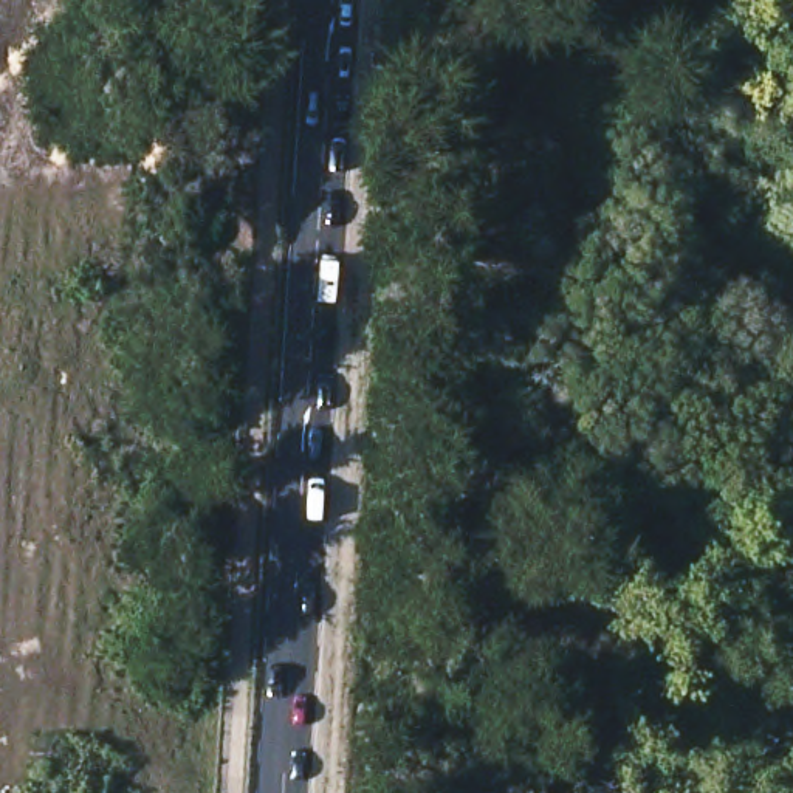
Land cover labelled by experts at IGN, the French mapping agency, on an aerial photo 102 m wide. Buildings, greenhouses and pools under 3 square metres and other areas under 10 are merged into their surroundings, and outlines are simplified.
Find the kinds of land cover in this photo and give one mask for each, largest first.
<instances>
[{"label":"deciduous trees","instance_id":"1","mask_svg":"<svg viewBox=\"0 0 793 793\"><path fill-rule=\"evenodd\" d=\"M297 0H62V12L37 28V46L25 56L22 77L28 96V121L34 124V136L40 146L65 152V158L74 164H130V177L124 183L121 266L112 273L99 260H90L81 273V285L87 288L93 282H102L105 300L118 291L127 294V304L121 307V322L133 335V406L152 421L155 437L180 443V452L173 455L164 465V474L155 477L146 524L121 542V561L130 573L149 579V585L158 592V607L146 620L142 635L127 638L121 663L130 666L133 685L152 706L170 700L180 712L201 722L214 712L217 703L220 681L208 678L204 654L223 632H232L239 626L235 604L242 598L235 589L226 585L223 548L229 545V527L226 508L220 502L242 496L239 483L248 474L245 458H251V434L245 440H232V431L220 421V415L239 406L245 372L251 369L248 341L254 304L245 291V279L235 257H242L254 245V232L239 217V208L260 170V152L269 136L273 105L282 99L285 81L297 71ZM356 142L362 149L356 170L362 173V183L369 189V220L362 229L359 254L372 279V316L366 325V338L372 344V366L362 427L366 449L359 455L362 480L347 483L335 474V468L322 471L319 480L325 502L322 517L313 520L331 545H338L341 539H353L356 545V613L347 632V663L353 666V685L344 793H793V0H449L434 34H412L390 56H384L381 71L369 81L359 99L356 118ZM102 728L50 731L43 740V756L25 759L22 765V787H0V793H108L115 771L124 768L127 759L112 747L99 743Z\"/></svg>","mask_w":793,"mask_h":793},{"label":"impervious surface","instance_id":"2","mask_svg":"<svg viewBox=\"0 0 793 793\"><path fill-rule=\"evenodd\" d=\"M449 0H297V71L285 81L282 99L273 105L269 136L260 152V170L239 208V217L254 232V245L242 257H235L245 279V291L254 304L248 341L251 369L245 372L239 406L220 415V421L232 431V440H245L251 434V458H245L248 474L239 483L242 496L220 502L226 508L229 527V545L223 548L226 585L235 589L242 598L235 604L239 626L232 632H223L204 654L208 678L220 681L217 703L232 700L226 725V793H344L353 685V666L347 663V632L356 613V545L353 539H341L338 545H331L313 520L322 517L325 502L319 480L322 471L335 468V474L347 483L362 480L359 455L366 449L362 427L372 366V344L366 338V325L372 316V279L359 254L362 229L369 220V189L362 183V173L356 170L362 149L356 142V118L359 99L369 81L381 71L384 56H390L412 34H434Z\"/></svg>","mask_w":793,"mask_h":793},{"label":"herbaceous vegetation","instance_id":"3","mask_svg":"<svg viewBox=\"0 0 793 793\"><path fill-rule=\"evenodd\" d=\"M62 12V0H0V71L9 65V50H15L25 37L37 40V28ZM130 177V164H74L65 158V152L40 146L34 136V124L28 121V96L22 77L0 90V787H22V765L25 759L43 756V740L50 731L102 728L99 743L112 747L127 759L124 768L115 771L108 793H226V725L232 700L217 703L214 712L201 722L180 712L170 700L152 706L133 685L130 666L121 663L127 638L142 635L146 620L158 607V592L149 585V579L130 573L121 561V542L146 524L155 477L152 471H142L139 493H127V486L121 483H99V474L93 462L84 458V443L77 437L87 431L96 434L112 418H118L124 437H139L149 449L173 455L180 452V443L155 437L152 421L133 406V335L121 322V307L127 304V294L118 291L105 300L102 282H93L87 288L81 285V273L90 260H99L112 273L121 266L124 183Z\"/></svg>","mask_w":793,"mask_h":793},{"label":"brushwood","instance_id":"4","mask_svg":"<svg viewBox=\"0 0 793 793\"><path fill-rule=\"evenodd\" d=\"M84 443V458L93 462L99 474V483H121L127 486V493H139L142 471H152L155 477L164 474V465L173 455L149 449L139 437H124L118 418H112L96 434L87 431L77 437Z\"/></svg>","mask_w":793,"mask_h":793},{"label":"bare soil","instance_id":"5","mask_svg":"<svg viewBox=\"0 0 793 793\"><path fill-rule=\"evenodd\" d=\"M37 46V40L25 37L15 50H9V65L0 71V90L22 77L25 56Z\"/></svg>","mask_w":793,"mask_h":793}]
</instances>
